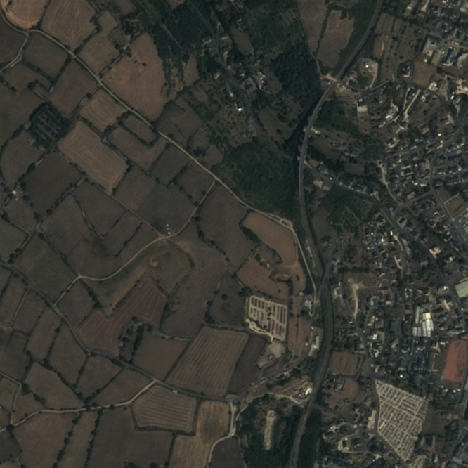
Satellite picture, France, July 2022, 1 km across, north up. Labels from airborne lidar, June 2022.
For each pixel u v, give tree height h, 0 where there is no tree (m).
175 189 0
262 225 0
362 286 0
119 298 0
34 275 0
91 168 0
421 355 0
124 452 0
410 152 0
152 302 0
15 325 0
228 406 0
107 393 0
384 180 0
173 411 0
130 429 0
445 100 0
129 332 11
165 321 0
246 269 0
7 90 0
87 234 0
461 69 0
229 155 8
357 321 0
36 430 0
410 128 8
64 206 0
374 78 0
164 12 7
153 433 0
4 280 0
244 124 0
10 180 0
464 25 9
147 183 0
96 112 0
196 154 8
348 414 0
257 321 7
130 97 0
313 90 18
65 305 0
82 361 0
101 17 0
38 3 0
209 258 0
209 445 0
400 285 8
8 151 0
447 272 7
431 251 0
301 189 0
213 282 0
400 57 6
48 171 0
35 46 0
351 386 0
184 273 0
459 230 0
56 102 0
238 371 0
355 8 5
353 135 8
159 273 0
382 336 0
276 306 0
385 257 9
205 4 11
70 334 0
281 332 0
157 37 13
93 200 0
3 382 0
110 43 0
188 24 21
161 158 0
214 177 0
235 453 0
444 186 6
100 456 0
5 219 9
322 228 0
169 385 0
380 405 0
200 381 0
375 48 0
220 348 0
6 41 0
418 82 0
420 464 0
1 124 0
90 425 0
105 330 0
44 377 0
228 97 8
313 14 0
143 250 0
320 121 18
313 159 10
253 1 19
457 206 0
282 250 0
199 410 0
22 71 0
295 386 0
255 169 7
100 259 0
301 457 9
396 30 0
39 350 0
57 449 0
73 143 0
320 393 10
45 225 0
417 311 0
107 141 0
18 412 0
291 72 13
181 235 0
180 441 0
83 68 8
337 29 0
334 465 0
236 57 12
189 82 0
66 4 0
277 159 7
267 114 0
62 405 0
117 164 0
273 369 0
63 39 0
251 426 10
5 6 0
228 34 9
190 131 0
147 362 0
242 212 0
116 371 0
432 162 0
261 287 0
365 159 7
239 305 0
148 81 0
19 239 0
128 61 0
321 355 8
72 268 0
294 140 17
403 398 0
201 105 7
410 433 0
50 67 0
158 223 0
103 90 0
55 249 0
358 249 0
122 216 0
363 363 0
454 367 0
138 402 0
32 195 0
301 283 0
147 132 0
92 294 9
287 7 6
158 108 0
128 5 0
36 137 16
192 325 0
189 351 0
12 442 0
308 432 10
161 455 0
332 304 7
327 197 7
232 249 0
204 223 0
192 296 0
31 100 0
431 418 0
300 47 12
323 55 0
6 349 0
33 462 0
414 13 11
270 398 6
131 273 0
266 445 0
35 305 0
